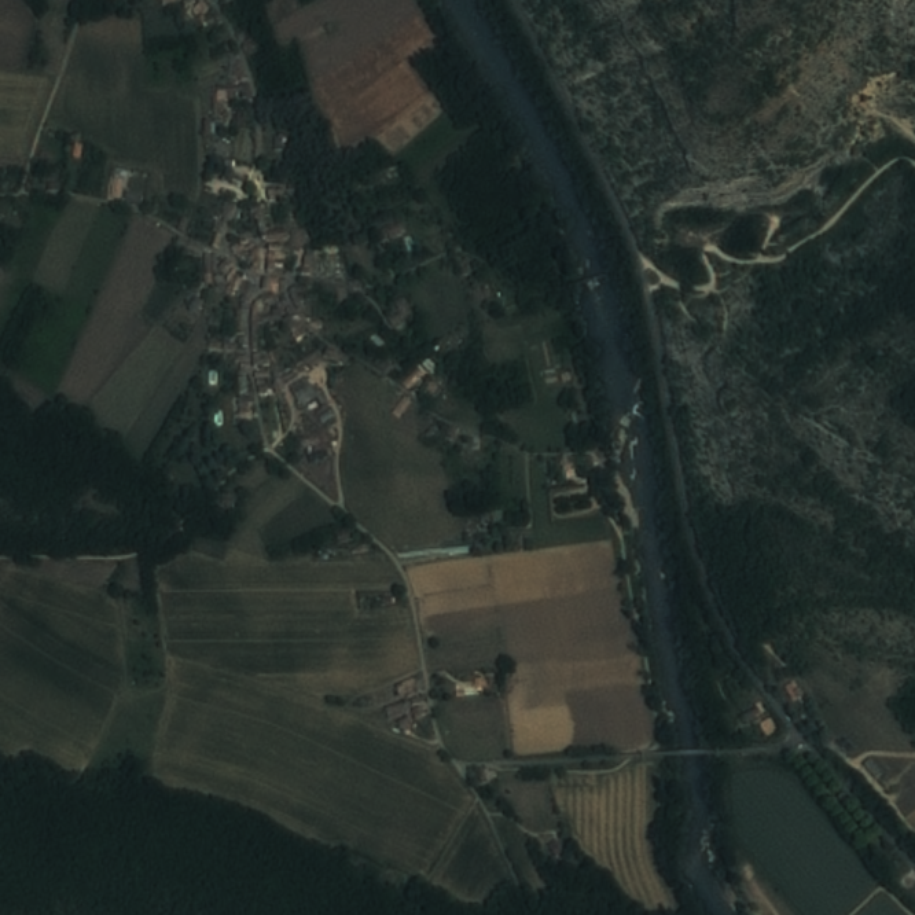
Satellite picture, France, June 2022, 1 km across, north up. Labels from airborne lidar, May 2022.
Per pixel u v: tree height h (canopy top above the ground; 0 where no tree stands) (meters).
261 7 15
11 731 0
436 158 0
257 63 9
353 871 8
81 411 16
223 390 8
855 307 10
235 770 0
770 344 6
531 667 0
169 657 0
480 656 0
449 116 10
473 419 0
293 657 0
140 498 18
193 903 11
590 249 0
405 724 0
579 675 0
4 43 0
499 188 14
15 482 16
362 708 0
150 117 0
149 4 0
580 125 10
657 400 7
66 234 0
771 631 10
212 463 24
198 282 8
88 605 0
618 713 0
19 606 0
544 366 0
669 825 17
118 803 18
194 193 0
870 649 6
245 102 8
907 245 9
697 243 0
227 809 18
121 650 0
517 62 20
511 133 34
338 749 0
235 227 11
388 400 0
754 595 12
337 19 0
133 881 9
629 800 0
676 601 28
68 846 18
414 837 0
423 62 24
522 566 0
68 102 0
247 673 0
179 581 0
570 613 0
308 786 0
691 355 0
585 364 16
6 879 11
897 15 0
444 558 0
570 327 7
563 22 6
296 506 0
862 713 0
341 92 0
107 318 0
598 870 23
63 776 18
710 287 0
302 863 18
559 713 0
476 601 0
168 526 12
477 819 0
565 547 0
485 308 8
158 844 16
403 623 0
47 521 6
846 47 0
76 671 0
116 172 0
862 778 14
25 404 11
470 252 12
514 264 20
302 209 17
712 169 0
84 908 8
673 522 12
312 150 19
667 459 7
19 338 9
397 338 8
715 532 14
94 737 0
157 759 0
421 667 0
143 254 0
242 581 0
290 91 11
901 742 0
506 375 6
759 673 14
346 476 0
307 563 0
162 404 0
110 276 0
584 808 0
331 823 0
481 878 0
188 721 0
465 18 0
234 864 17
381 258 13
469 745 0
